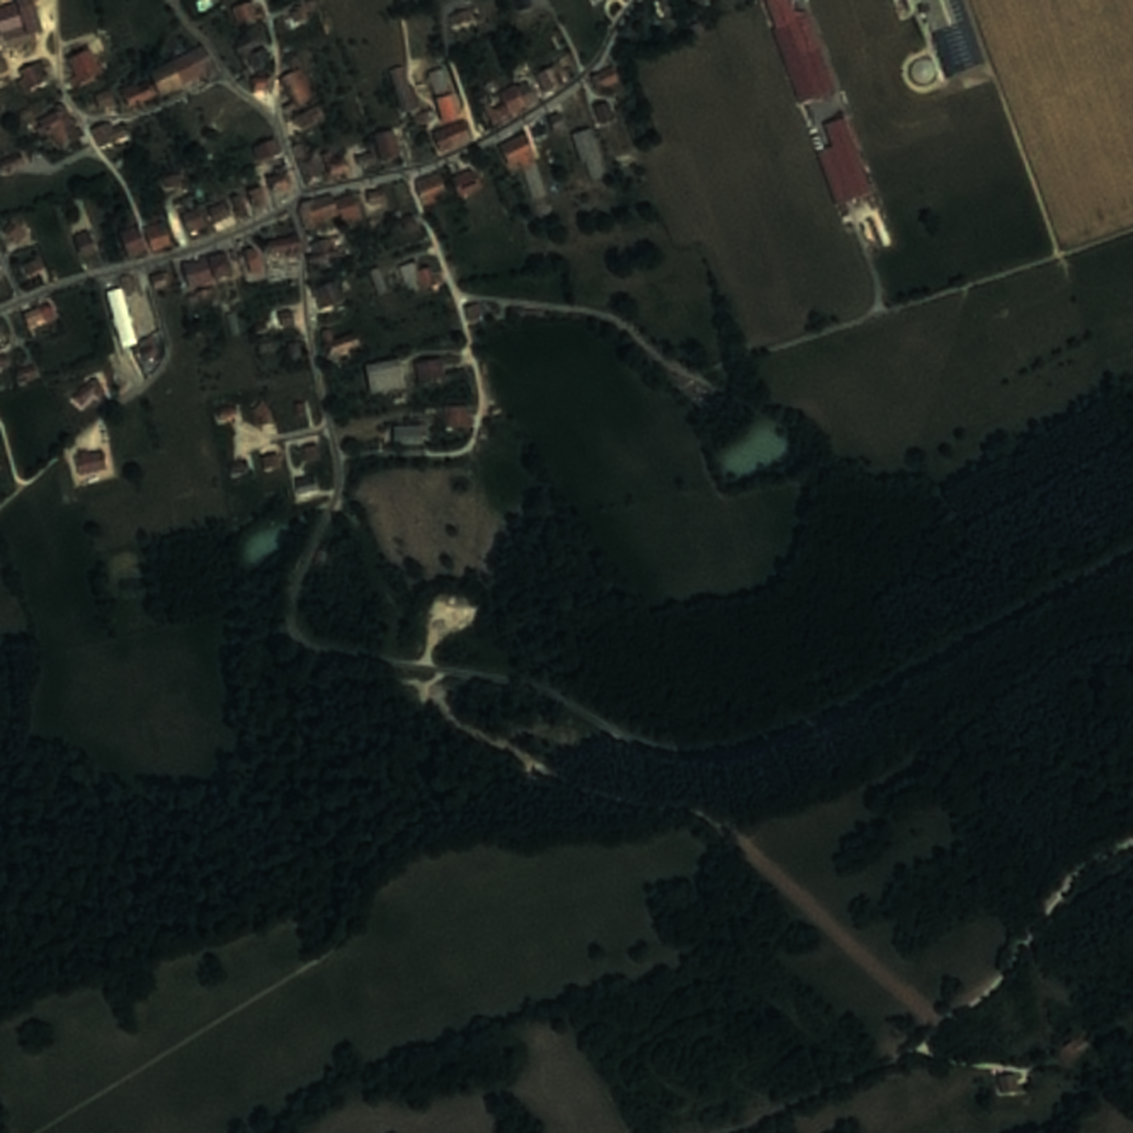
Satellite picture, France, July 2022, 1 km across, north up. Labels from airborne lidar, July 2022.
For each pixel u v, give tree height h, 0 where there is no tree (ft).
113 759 0
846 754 73
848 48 0
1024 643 42
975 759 73
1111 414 59
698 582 0
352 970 0
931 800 50
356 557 48
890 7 0
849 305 0
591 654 40
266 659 30
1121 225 0
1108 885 39
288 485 0
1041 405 0
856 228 0
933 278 0
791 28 0
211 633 0
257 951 0
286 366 25
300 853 116
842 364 0
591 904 0
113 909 81
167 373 0
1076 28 0
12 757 84
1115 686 101
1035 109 0
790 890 0
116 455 0
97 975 87
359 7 0
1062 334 0
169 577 42
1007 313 0
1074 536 90
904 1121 0
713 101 0
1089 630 48
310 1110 49
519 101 0
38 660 46
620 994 44
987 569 92
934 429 0
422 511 0
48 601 0
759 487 29
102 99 0
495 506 0
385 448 22
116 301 0
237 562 31
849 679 73
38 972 83
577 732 0
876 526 38
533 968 0
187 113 0
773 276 0
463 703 24
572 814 80
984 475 64
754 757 78
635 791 79
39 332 0
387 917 0
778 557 0
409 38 0
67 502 0
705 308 0
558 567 85
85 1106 0
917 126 0
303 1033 0
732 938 52
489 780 73
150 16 0
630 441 0
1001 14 0
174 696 0
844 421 0
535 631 30
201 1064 0
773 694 55
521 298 0
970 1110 0
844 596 47
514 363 0
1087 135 0
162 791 98
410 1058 67
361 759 99
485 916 0
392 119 0
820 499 54
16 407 0
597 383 0
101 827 109
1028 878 54
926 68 0
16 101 0
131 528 0
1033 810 63
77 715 0
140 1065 0
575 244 0
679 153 0
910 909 41
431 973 0
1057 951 48
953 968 0
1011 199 0
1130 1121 36
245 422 0
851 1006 0
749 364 82
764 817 71
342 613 44
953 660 43
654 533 0
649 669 37
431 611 0
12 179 0
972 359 0
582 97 0
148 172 21
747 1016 69
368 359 25
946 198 0
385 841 77
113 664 0
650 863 0
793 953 47
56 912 74
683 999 45
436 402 23
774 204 0
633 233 0
